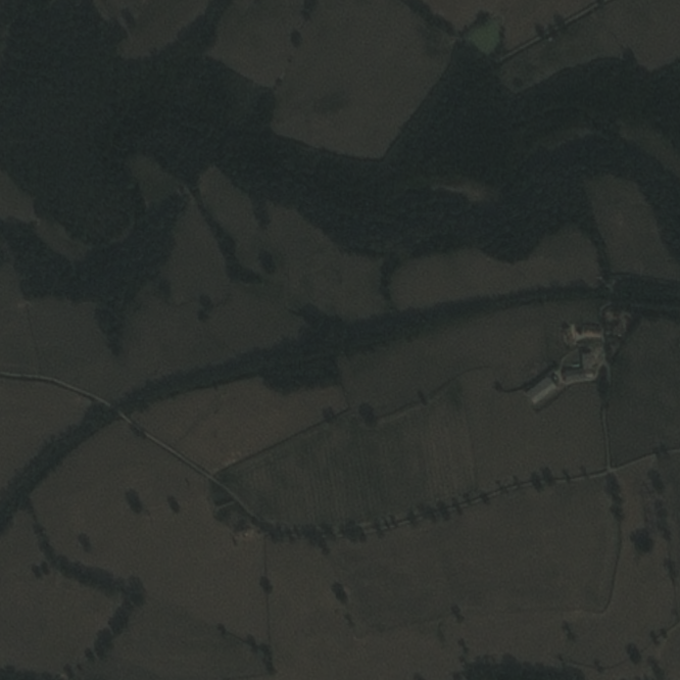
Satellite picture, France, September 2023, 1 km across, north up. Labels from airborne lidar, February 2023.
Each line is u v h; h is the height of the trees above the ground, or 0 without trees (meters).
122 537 0
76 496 0
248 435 0
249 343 0
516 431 0
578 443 0
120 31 17
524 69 0
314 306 0
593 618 0
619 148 24
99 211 15
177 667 0
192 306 0
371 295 0
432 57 0
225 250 17
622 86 14
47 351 0
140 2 0
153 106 16
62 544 0
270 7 0
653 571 0
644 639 0
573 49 0
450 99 18
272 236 0
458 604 0
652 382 0
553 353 0
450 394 0
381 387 0
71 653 0
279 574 0
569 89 16
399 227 19
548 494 0
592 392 0
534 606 0
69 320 0
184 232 0
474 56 16
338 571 0
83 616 0
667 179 27
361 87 0
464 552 0
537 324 0
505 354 0
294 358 14
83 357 0
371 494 0
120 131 19
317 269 0
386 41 0
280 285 0
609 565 0
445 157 9
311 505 0
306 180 18
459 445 0
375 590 0
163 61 17
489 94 9
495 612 0
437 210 19
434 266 0
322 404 0
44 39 18
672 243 23
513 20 0
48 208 15
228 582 0
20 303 0
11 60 17
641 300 12
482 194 0
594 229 18
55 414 0
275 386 22
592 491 0
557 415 0
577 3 0
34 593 0
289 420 0
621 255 0
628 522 0
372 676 0
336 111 0
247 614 0
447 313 14
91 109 19
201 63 7
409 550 0
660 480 19
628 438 0
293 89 0
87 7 18
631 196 0
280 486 0
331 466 0
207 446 0
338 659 0
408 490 0
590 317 0
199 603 0
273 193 19
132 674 0
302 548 0
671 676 0
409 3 11
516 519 0
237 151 16
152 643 0
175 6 0
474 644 0
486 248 14
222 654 0
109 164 18
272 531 16
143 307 0
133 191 23
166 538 0
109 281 17
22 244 20
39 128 19
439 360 0
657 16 0
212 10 10
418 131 6
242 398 0
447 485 0
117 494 0
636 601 0
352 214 26
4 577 0
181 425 0
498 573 0
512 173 13
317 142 0
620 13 0
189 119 19
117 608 0
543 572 0
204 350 0
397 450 0
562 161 21
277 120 0
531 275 0
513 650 0
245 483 0
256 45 0
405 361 0
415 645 0
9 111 16
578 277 0
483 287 0
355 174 6
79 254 0
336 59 0
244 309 0
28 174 21
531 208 22
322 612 0
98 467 0
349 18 0
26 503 11
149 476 0
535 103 11
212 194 0
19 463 0
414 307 0
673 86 7
